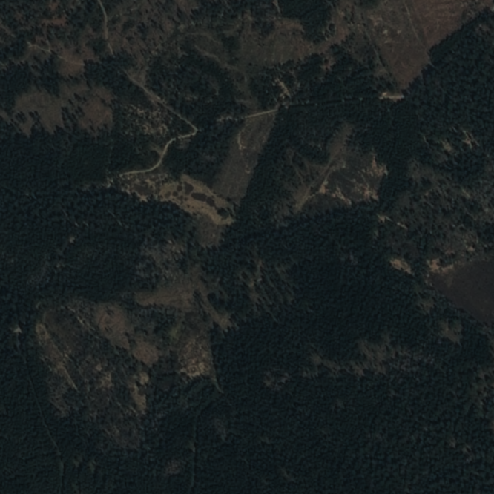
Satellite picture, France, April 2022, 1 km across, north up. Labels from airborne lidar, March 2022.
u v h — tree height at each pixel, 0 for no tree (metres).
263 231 7
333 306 21
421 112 26
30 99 0
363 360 18
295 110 10
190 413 18
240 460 12
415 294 24
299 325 19
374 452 17
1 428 15
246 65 0
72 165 12
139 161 7
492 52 20
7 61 22
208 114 6
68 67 0
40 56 0
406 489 12
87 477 18
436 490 19
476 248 8
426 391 22
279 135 12
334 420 18
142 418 0
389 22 0
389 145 15
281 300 19
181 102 27
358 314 15
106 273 8
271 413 20
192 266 23
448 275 0
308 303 21
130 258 10
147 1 0
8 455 17
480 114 18
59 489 16
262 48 12
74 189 25
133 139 8
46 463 14
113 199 27
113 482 17
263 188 10
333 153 21
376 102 10
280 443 25
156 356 0
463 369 26
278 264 24
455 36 12
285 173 11
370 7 0
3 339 29
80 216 25
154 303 0
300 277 23
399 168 10
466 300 0
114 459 24
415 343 23
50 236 16
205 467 16
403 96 0
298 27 0
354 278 23
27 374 18
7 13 12
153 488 16
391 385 20
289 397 20
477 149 21
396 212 19
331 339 18
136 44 22
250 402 18
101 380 8
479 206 21
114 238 8
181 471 17
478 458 31
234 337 25
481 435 17
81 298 15
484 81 28
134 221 19
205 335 0
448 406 25
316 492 14
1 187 22
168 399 13
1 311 21
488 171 23
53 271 7
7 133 18
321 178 16
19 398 17
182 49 9
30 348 31
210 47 0
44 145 24
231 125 18
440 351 18
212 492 13
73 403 17
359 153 10
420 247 7
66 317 7
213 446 15
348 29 0
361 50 0
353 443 22
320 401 18
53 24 7
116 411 13
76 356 6
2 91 21
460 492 18
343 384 22
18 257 18
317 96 14
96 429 15
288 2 12
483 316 0
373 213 13
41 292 14
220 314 21
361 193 0
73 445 20
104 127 0
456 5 0
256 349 24
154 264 7
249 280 26
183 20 24
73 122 26
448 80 28
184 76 26
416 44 0
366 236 22
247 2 17
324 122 13
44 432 17
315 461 16
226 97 7
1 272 24
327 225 24
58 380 15
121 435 10
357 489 19
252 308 15
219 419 16
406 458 10
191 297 0
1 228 12
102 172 10
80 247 17
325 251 24
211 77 18
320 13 8
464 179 19
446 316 15
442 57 13
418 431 19
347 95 9
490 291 0
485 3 0
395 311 22
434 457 23
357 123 8
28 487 14
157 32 23
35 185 26
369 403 17
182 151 8
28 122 22
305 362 20
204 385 18
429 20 0
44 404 16
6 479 14
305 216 11
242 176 0
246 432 18
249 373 22
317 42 14
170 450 13
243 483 19
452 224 10
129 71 13
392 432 23
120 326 0
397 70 0
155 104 0
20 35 20
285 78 12
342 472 21
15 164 21
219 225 0
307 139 11
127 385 22
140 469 13
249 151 0
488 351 23
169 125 9
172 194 0
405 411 19
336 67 12
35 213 28
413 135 13
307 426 13
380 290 25
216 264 23
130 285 6
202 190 0
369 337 21
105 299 8
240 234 11
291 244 23
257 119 0
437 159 14
